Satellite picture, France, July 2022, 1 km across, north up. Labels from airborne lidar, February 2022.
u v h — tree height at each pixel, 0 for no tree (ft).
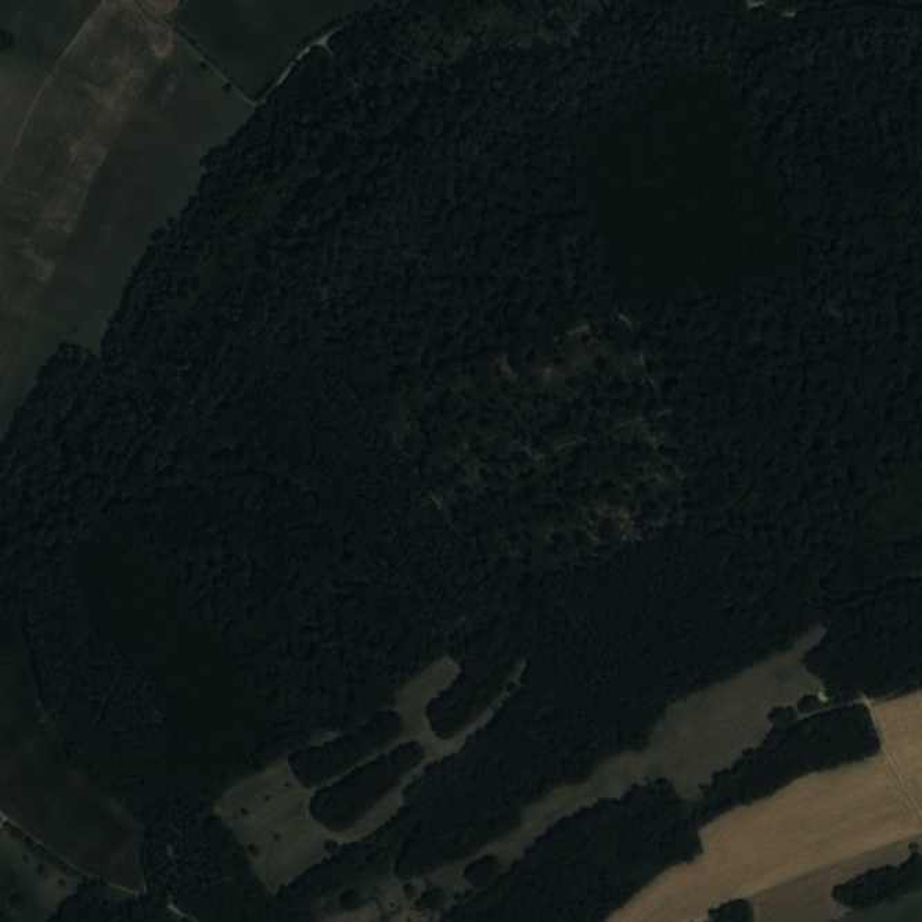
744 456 58
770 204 55
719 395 69
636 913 0
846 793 0
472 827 58
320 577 69
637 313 70
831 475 76
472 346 37
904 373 82
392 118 108
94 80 0
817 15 43
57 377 73
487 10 89
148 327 71
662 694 45
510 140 68
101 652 60
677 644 63
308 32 0
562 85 62
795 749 69
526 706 71
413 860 53
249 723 36
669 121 46
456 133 86
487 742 40
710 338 66
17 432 58
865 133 87
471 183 69
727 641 60
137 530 35
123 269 0
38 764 0
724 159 32
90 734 70
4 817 0
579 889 79
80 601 51
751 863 0
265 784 0
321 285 49
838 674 63
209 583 73
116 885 0
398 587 76
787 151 71
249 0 0
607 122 32
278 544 77
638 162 44
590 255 69
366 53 25
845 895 42
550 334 71
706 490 50
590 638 69
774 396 51
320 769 78
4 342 0
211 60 20
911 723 0
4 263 0
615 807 61
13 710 0
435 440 85
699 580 55
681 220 51
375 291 52
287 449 59
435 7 25
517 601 62
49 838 0
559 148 58
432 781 49
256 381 67
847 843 0
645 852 25
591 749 48
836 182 63
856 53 57
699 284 32
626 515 68
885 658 61
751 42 47
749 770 59
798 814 0
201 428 64
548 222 74
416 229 59
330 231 101
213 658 39
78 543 23
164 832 70
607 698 58
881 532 77
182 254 58
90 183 0
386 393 73
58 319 0
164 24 0
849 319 82
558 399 31
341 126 97
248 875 55
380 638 51
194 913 33
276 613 65
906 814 0
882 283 86
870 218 84
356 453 66
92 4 0
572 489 84
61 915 41
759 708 0
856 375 79
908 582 33
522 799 60
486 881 51
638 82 59
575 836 79
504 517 87
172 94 0
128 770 62
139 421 100
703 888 0
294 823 0
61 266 0
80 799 0
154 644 36
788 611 75
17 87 0
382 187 95
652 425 81
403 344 75
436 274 25
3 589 70
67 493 99
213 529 60
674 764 0
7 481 92
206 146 0
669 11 75
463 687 60
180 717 57
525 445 82
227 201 21
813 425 67
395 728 65
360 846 45
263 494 42
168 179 0
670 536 59
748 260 41
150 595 35
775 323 72
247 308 25
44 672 70
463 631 22
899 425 67
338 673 64
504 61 78
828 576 77
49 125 0
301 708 58
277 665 76
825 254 26
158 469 23
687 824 48
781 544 60
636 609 66
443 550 100
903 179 69
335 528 61
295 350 72
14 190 0
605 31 98
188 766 57
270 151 25
